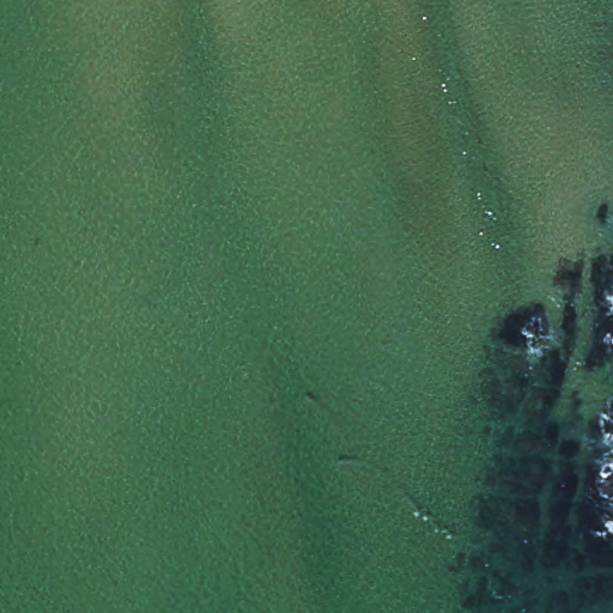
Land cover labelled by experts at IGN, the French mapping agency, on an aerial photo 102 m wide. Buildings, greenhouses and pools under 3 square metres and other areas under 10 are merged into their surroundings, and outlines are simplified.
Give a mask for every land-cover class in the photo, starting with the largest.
<instances>
[{"label":"water","instance_id":"1","mask_svg":"<svg viewBox=\"0 0 613 613\"><path fill-rule=\"evenodd\" d=\"M603 412H613V0H0V613H613V505L611 500H603L599 496L603 436L599 433V417Z\"/></svg>","mask_w":613,"mask_h":613},{"label":"bare soil","instance_id":"2","mask_svg":"<svg viewBox=\"0 0 613 613\"><path fill-rule=\"evenodd\" d=\"M599 433L603 436L599 496L603 500H611L613 505V412H603L599 417Z\"/></svg>","mask_w":613,"mask_h":613}]
</instances>
